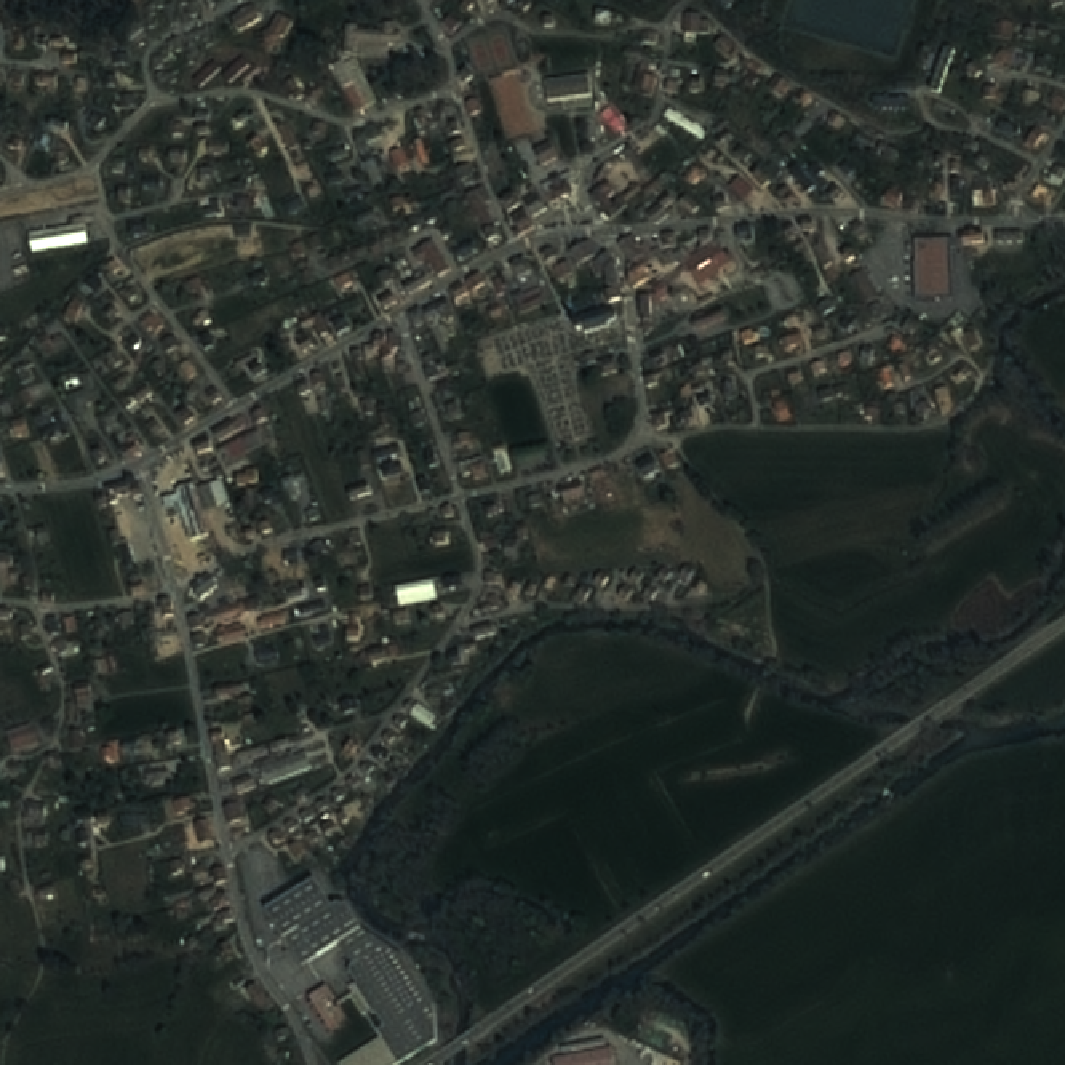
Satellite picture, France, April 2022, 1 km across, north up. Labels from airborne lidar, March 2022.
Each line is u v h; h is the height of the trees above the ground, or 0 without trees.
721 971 0
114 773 9
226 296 0
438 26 0
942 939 0
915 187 0
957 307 0
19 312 0
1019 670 0
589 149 14
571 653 0
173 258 0
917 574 11
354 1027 0
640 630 12
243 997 0
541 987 0
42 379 0
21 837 0
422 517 0
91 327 0
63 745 0
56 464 0
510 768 19
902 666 21
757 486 0
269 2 0
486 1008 0
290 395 0
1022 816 0
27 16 18
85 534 0
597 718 0
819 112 0
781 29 11
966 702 0
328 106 0
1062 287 24
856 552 0
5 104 9
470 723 11
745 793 0
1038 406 23
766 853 0
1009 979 0
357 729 0
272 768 0
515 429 0
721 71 0
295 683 0
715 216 0
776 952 0
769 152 0
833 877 0
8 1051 0
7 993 0
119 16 12
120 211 0
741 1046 0
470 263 0
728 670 17
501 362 0
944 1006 0
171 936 0
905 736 0
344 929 0
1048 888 0
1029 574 0
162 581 0
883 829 0
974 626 0
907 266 0
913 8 0
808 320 0
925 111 0
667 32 0
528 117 0
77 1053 0
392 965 0
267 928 0
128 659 0
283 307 0
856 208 0
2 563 0
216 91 0
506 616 0
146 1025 0
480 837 0
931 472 0
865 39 0
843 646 0
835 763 0
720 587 0
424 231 0
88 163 0
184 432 0
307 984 0
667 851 0
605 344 0
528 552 6
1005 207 0
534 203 0
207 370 0
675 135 0
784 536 0
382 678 0
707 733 0
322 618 0
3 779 0
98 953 0
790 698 12
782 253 8
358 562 0
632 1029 14
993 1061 0
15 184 0
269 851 0
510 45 0
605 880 0
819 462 0
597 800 0
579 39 0
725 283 0
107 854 0
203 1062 0
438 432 0
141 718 0
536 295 0
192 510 0
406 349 0
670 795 0
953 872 0
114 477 0
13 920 0
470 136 0
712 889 0
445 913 16
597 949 0
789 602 0
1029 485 0
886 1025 0
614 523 0
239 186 8
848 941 0
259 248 0
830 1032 0
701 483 15
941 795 0
